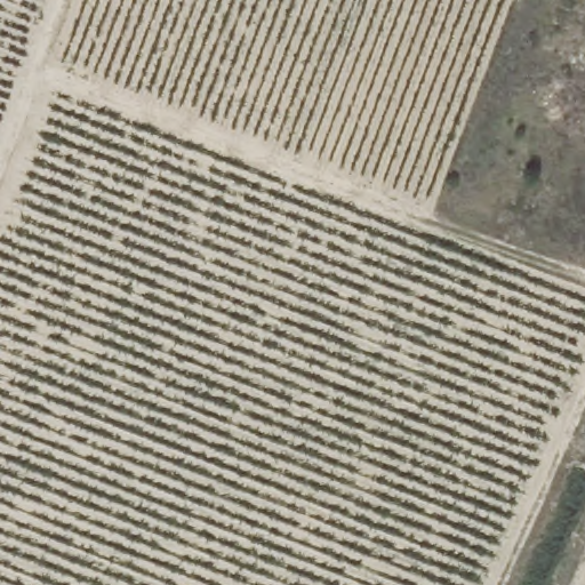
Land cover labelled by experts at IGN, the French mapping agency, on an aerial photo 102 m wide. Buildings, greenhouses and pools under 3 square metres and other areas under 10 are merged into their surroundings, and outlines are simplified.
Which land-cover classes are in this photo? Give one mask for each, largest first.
<instances>
[{"label":"vineyard","instance_id":"1","mask_svg":"<svg viewBox=\"0 0 585 585\"><path fill-rule=\"evenodd\" d=\"M39 0H0V119L7 110L14 73L27 55V27L30 23L43 21V9L37 7ZM514 0H82L62 53V69L73 78L94 80L96 75H103L117 82L119 87H128V91H158V96L167 101V105H194L199 107V114L203 119H210L217 126H224L226 119L231 121V128L247 130L256 137L277 142L281 149L295 153L313 151L318 153L315 167H322L324 162H331L336 158L343 130L347 121H354V128L340 155V169L354 171V165L361 155V176L368 171V160H375L372 176H377L379 171L386 181L388 171H395L393 187L398 190H407L409 183H416L414 197H420V185H427V197L434 190L441 192L452 165V155L466 130L494 48L500 39L503 25ZM32 128L41 135V144L30 165L25 183L21 185V224H9L0 235V585H484L482 580L487 578L489 569L480 562L482 558H494V551H487L489 544H498V539L503 537V523L505 519H512L519 491L526 487V480L532 475L535 466H539V448L548 441V434L542 432L544 418L548 414H560V409L555 407V398H567L571 391L567 382H562L555 375L560 370L578 375L583 356L571 350L576 340L585 334V279L580 283H571L535 267H530V272L516 270L491 256L466 249L452 240L400 224L379 213L359 208L340 197L304 187L299 183L295 185L293 181L270 174L240 158L224 155L199 142L167 133L153 123L135 121L112 107H101L89 101H80L78 96L64 91L55 96L48 121L41 123L39 119H32Z\"/></svg>","mask_w":585,"mask_h":585},{"label":"herbaceous vegetation","instance_id":"2","mask_svg":"<svg viewBox=\"0 0 585 585\"><path fill-rule=\"evenodd\" d=\"M530 158H539L542 162L537 185H530L523 178ZM436 213L441 217H448L450 222L475 229L480 233L507 240L512 245L535 249L539 254L585 267V0H514L503 25L500 39L494 48L466 130L452 155V165L441 192L436 203ZM507 585H585V414L576 425L574 436L562 455L560 468L555 471L542 512L516 560L512 580Z\"/></svg>","mask_w":585,"mask_h":585},{"label":"plowed land","instance_id":"3","mask_svg":"<svg viewBox=\"0 0 585 585\"><path fill-rule=\"evenodd\" d=\"M82 0H39L37 7L43 9V21L30 23L27 27V55L14 73L7 110L0 119V235L9 224H21V185L25 183L30 165L41 144V135L32 128V119H39L41 123L48 121L55 96L64 91L78 96L80 101H89L101 107H112L135 121L153 123L167 133L199 142L224 155L240 158L270 174L293 181L295 185L299 183L304 187L340 197L359 208L379 213L400 224L452 240L466 249L491 256L516 270L530 272V267H535L571 283H580L585 279V267L539 254L535 249L512 245L507 240L480 233L475 229L450 222L448 217H441L436 213V203L441 192L434 190L427 197V185H420V197H414L416 183H409L407 190H398L393 187L395 171H388L386 181L379 171L377 176H372L375 160H368V171L361 176V155L354 165V171L340 169V155L354 128V121H347L343 130L336 158L331 162H324L322 167H315L318 153L313 151L295 153L281 149L277 142L256 137L247 130L231 128V121L226 119L224 126H217L210 119H203L199 114V107L194 105H167V101L158 96V91H128V87H119L117 82L103 75H96L94 80L73 78L62 69V53ZM583 356L578 375L560 370L555 375L562 382H567L571 391L567 398H555V407L560 409V414H548L544 418L542 432L548 434V441L539 448V466H535L532 475L526 480V487L519 491L512 519H505L503 523V537L498 539V544H489L487 551H494V558H482L480 562L489 569L487 578L482 580L484 585H507L512 580L516 560L542 512L555 471L560 468L562 455L574 436L576 425L585 414V334L576 340L571 350Z\"/></svg>","mask_w":585,"mask_h":585},{"label":"deciduous trees","instance_id":"4","mask_svg":"<svg viewBox=\"0 0 585 585\"><path fill-rule=\"evenodd\" d=\"M542 162L539 158H530L523 178L530 185H537Z\"/></svg>","mask_w":585,"mask_h":585}]
</instances>
